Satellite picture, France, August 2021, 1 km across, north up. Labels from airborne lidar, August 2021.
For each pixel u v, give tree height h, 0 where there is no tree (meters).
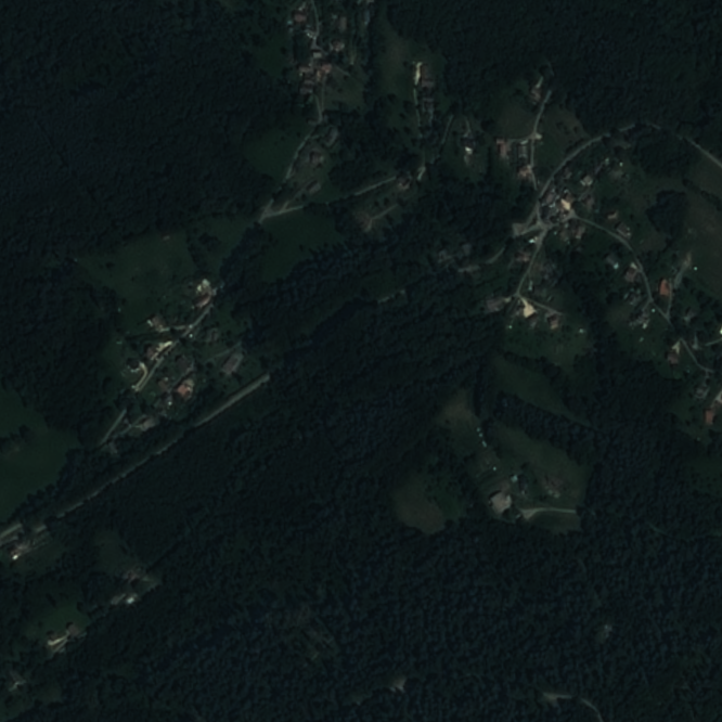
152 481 14
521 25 23
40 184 29
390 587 13
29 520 27
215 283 6
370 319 26
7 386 15
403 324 19
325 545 13
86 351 9
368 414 28
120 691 28
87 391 9
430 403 24
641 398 24
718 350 13
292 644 6
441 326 21
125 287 0
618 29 28
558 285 7
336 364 29
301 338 8
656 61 33
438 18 21
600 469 7
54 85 37
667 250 7
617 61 25
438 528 0
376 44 16
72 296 30
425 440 10
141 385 0
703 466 0
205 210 25
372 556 15
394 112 9
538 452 0
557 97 10
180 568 10
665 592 7
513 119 0
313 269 15
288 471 13
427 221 19
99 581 25
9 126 32
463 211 19
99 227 18
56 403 13
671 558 28
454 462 25
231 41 26
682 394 8
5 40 31
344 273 30
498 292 6
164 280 0
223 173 26
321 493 11
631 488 31
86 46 25
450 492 6
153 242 0
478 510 12
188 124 25
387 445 29
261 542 9
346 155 9
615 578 17
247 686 38
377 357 16
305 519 10
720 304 17
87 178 30
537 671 6
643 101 24
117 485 9
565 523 0
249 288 28
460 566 21
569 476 0
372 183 0
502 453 9
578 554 17
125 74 7
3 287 24
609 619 16
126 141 23
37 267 5
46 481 0
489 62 17
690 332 15
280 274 0
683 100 29
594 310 22
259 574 9
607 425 24
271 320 27
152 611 12
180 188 24
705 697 26
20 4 29
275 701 28
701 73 32
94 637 12
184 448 13
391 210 0
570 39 22
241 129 24
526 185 8
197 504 11
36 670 18
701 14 7
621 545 26
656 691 19
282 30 13
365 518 9
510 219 20
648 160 17
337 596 26
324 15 5
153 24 21
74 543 30
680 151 18
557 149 0
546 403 0
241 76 26
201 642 13
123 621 12
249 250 20
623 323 0
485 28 21
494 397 23
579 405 25
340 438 25
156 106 26
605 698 17
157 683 29
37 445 0
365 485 27
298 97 19
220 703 36
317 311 31
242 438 24
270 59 0
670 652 7
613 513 23
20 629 14
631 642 16
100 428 17
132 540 19
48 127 31
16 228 22
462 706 6
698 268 0
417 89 8
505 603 29
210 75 29
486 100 19
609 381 13
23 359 14
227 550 12
